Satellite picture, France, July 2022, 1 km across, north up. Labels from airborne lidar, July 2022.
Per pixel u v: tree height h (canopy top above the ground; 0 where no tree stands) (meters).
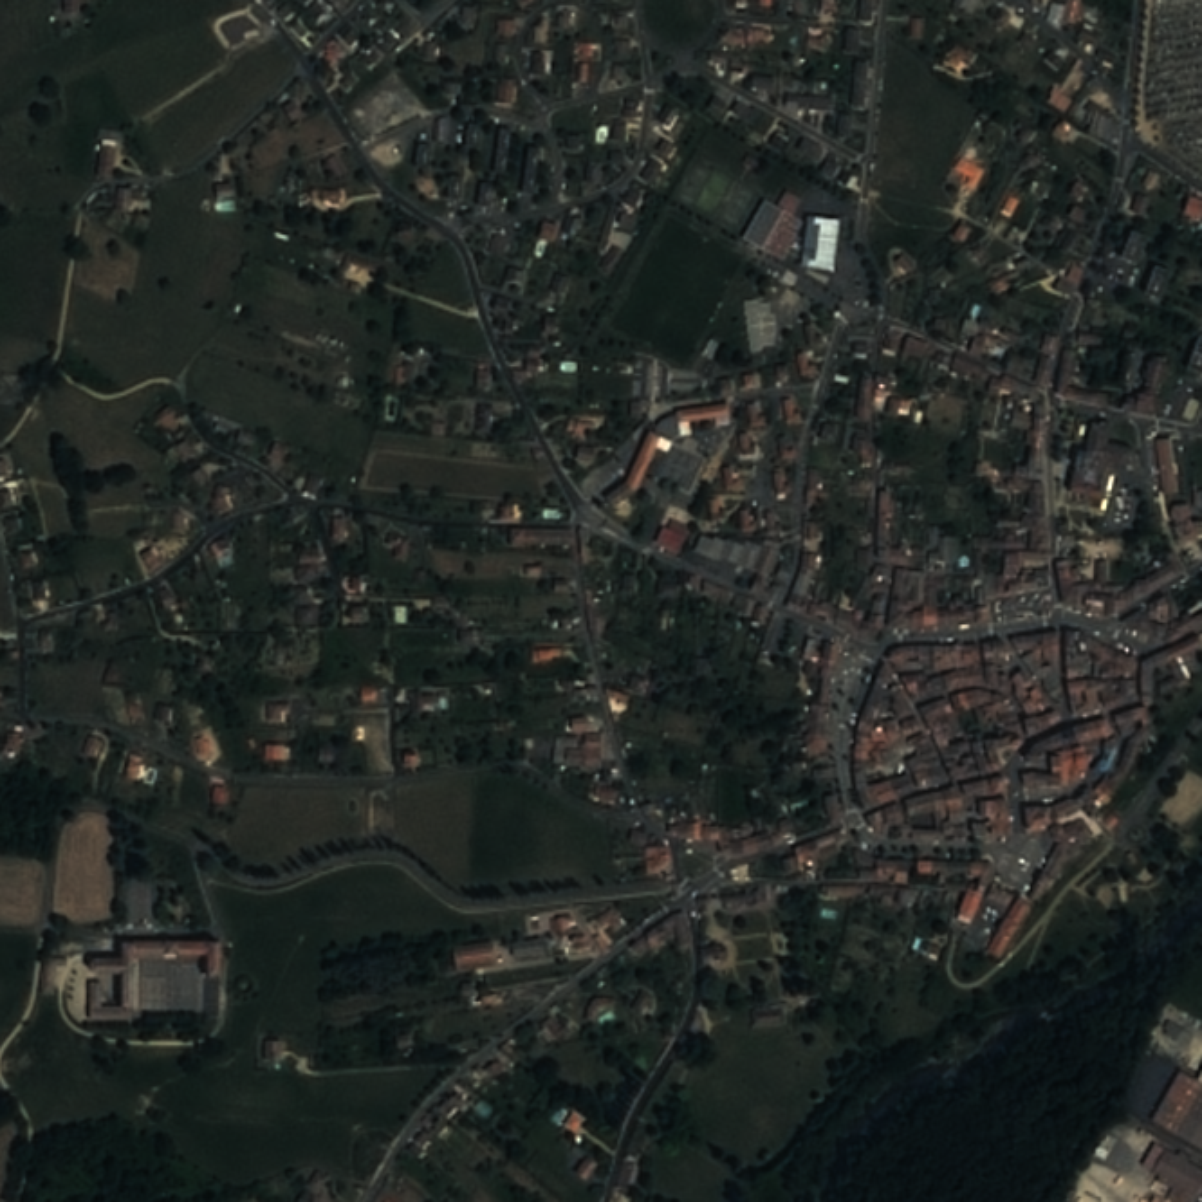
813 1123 14
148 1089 0
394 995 6
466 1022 0
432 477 0
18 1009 0
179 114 0
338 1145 0
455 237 0
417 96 0
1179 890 24
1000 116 11
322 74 10
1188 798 0
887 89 0
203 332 0
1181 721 0
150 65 0
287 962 0
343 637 0
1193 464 6
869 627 0
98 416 0
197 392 0
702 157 0
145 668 0
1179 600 12
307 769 0
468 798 0
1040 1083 25
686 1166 0
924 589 0
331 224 15
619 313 0
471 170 7
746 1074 0
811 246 0
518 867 0
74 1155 15
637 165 0
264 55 0
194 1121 0
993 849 0
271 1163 0
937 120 0
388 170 0
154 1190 9
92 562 0
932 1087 10
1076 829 0
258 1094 0
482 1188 0
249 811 0
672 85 16
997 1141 23
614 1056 15
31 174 0
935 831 0
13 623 0
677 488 8
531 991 0
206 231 0
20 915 0
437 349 7
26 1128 10
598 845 0
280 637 10
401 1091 0
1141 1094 0
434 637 0
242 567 0
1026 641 0
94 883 0
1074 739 0
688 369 0
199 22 0
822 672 0
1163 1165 0
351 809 0
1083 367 11
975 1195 23
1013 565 0
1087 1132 10
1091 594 0
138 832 21
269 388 0
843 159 0
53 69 0
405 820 0
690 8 0
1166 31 0
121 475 15
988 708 0
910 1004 0
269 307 0
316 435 0
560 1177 0
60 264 0
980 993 16
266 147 0
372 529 9
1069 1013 12
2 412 0
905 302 0
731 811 0
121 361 0
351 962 24
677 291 0
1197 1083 0
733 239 6
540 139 13
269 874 22
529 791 0
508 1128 14
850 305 0
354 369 0
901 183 0
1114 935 0
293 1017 0
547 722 0
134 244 0
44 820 15
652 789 0
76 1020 0
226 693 14
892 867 0
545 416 15
